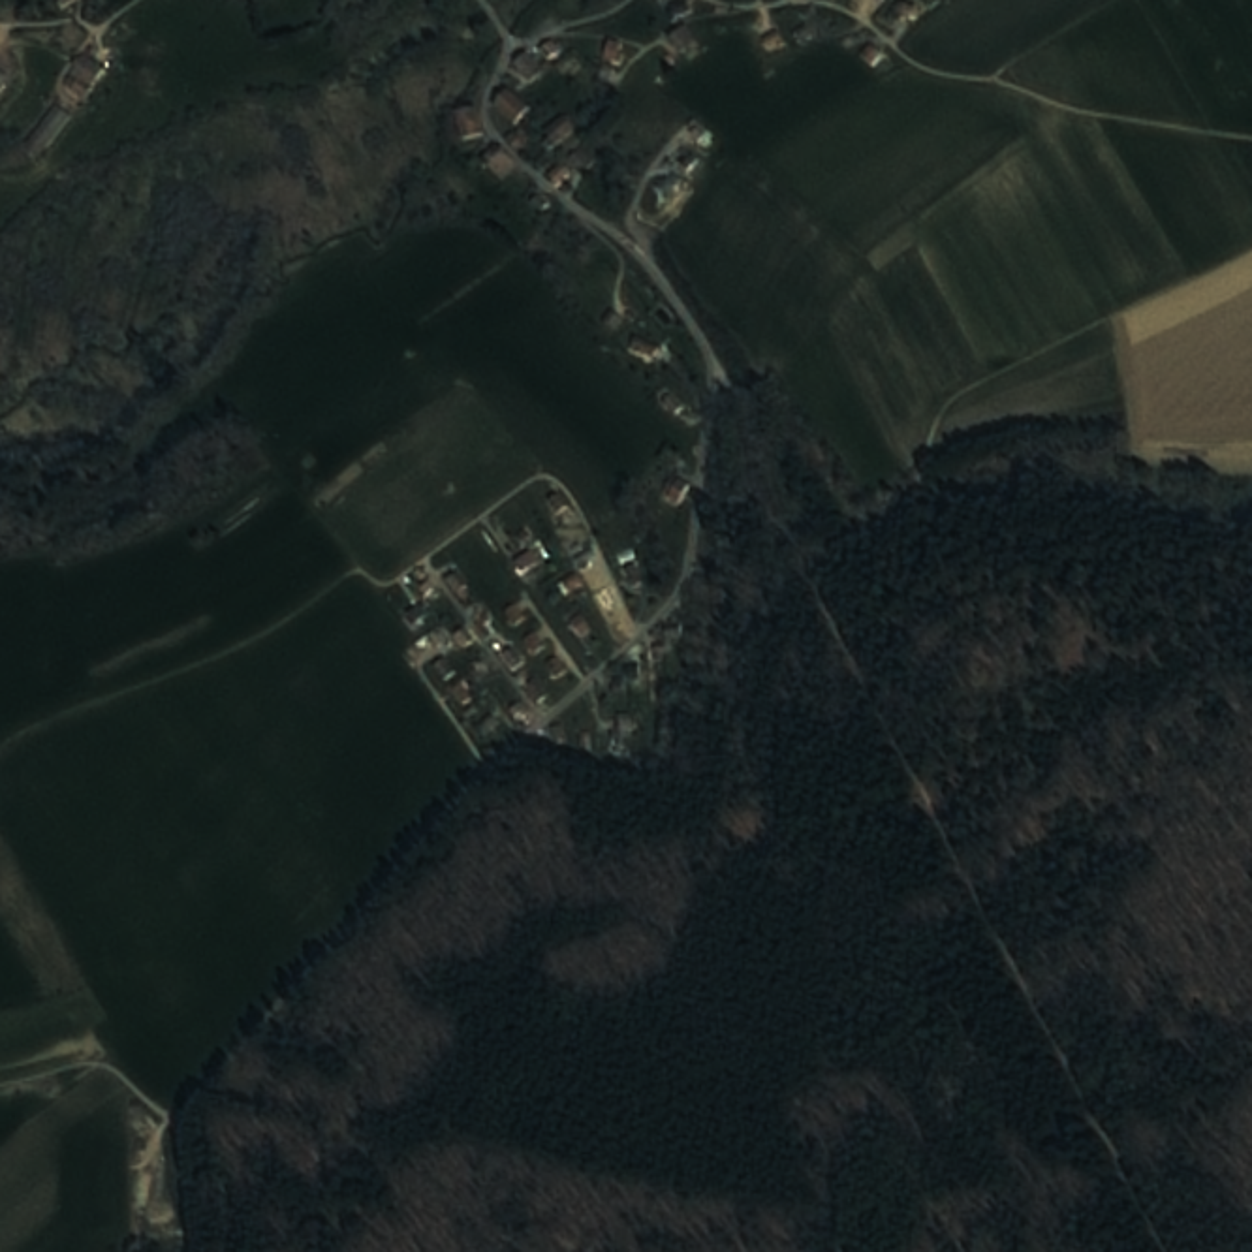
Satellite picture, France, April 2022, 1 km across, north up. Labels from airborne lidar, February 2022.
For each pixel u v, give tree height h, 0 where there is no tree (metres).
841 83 0
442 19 14
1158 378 0
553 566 10
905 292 0
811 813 25
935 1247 24
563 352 0
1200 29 0
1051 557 24
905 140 0
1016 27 0
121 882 0
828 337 0
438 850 28
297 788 0
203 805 0
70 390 7
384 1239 22
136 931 0
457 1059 25
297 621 0
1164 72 0
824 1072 25
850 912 21
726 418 22
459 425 0
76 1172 0
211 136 0
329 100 0
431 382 0
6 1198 0
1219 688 26
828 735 28
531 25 0
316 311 0
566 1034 23
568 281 22
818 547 27
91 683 0
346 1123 24
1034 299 0
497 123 0
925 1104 23
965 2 0
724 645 27
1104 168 0
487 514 0
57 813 0
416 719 0
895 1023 29
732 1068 28
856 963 21
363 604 0
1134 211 0
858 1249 26
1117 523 31
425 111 0
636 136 0
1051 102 0
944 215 0
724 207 0
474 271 0
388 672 0
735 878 26
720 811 23
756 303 0
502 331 0
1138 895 28
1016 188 0
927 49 0
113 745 0
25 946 0
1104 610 30
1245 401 0
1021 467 6
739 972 20
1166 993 25
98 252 0
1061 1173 26
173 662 0
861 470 0
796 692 22
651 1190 23
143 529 19
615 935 20
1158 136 0
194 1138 25
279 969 0
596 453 0
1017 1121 26
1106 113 0
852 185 0
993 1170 30
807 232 0
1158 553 33
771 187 0
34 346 0
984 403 0
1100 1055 26
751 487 27
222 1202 24
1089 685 11
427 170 13
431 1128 26
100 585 0
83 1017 0
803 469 29
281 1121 25
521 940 25
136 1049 0
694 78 0
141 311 0
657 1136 22
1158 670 7
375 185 0
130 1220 0
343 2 22
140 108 0
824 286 0
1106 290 0
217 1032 0
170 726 0
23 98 0
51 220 8
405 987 26
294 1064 31
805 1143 23
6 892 0
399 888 31
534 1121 24
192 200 6
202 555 0
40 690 0
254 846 0
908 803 12
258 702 0
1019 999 26
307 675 0
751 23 0
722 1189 24
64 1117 0
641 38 0
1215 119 0
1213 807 26
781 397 14
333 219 0
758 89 0
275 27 0
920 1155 26
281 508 0
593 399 0
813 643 28
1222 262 0
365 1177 31
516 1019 27
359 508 0
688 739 26
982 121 0
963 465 19
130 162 8
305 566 0
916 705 30
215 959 0
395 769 0
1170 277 0
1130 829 28
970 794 11
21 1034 0
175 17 0
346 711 0
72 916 0
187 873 0
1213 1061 27
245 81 0
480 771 0
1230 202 0
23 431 0
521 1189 23
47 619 0
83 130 0
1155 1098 28
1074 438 27
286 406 0
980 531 32
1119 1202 30
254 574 0
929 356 0
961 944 24
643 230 0
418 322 0
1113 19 0
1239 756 25
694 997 24
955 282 0
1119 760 25
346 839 0
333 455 0
